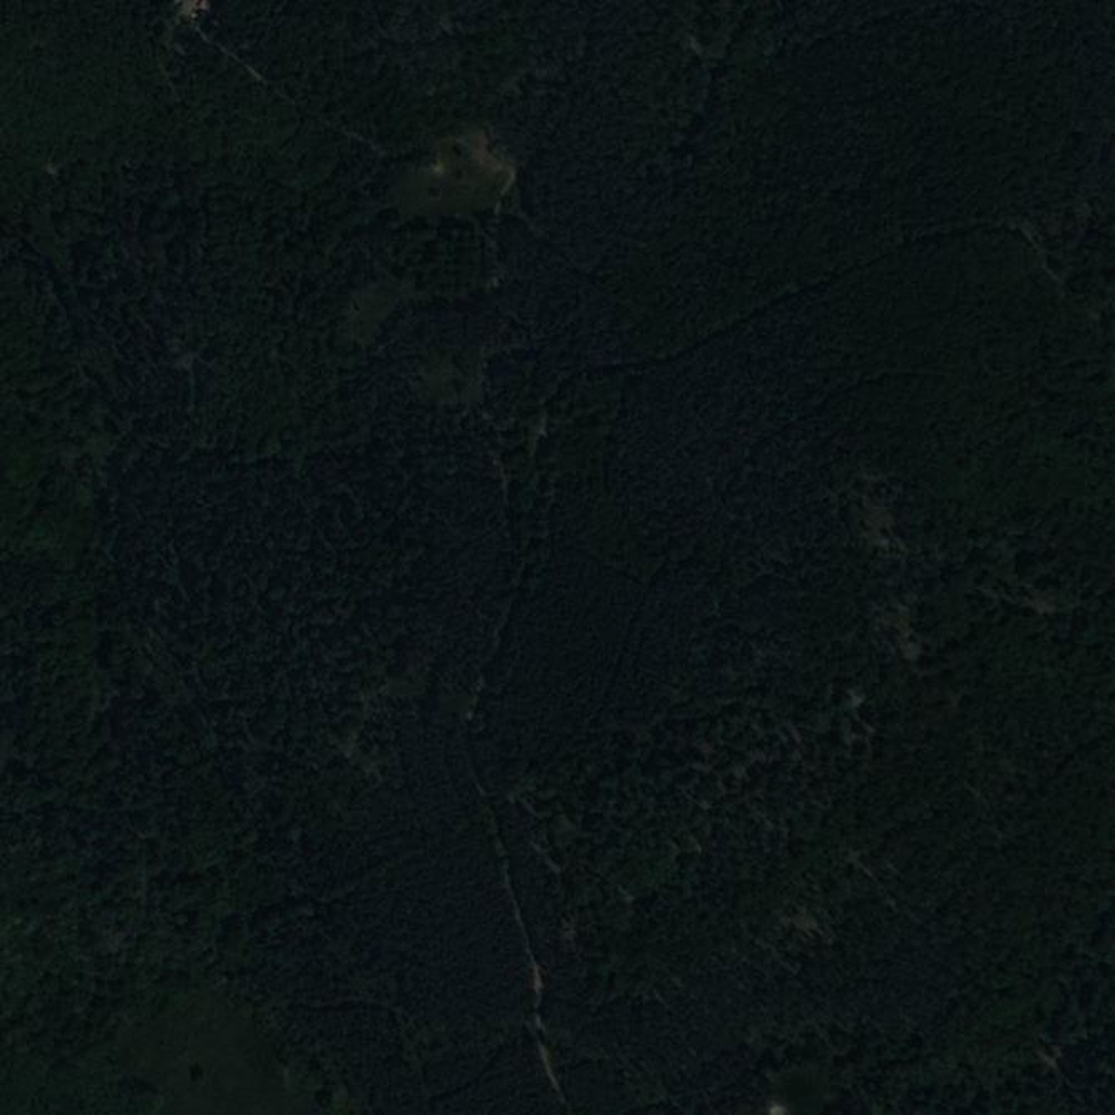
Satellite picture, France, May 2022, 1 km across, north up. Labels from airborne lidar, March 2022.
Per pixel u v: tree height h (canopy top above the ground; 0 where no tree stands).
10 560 21
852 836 21
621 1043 23
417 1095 12
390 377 26
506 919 24
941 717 14
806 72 19
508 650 15
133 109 13
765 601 24
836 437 15
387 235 27
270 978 14
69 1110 18
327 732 16
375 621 28
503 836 23
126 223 33
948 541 21
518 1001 21
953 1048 24
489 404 16
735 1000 25
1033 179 23
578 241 28
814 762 15
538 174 30
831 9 23
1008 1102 17
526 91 18
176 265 21
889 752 15
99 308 29
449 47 19
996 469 20
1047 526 16
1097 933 42
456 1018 26
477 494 24
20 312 14
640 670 22
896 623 0
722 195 22
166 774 18
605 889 25
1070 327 18
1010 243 16
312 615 26
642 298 22
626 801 24
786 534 19
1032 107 22
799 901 20
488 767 22
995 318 20
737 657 28
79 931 15
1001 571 32
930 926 25
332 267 16
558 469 12
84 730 18
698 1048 26
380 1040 13
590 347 25
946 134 22
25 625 30
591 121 31
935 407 18
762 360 22
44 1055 14
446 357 19
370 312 0
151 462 8
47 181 24
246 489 32
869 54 21
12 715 25
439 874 22
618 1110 12
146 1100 21
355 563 7
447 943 24
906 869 22
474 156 0
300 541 25
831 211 21
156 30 19
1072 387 23
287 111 21
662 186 34
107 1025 12
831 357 20
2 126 11
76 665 22
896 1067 26
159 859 15
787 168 18
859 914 23
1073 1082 31
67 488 28
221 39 19
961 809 20
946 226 21
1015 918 22
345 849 20
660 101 29
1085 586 15
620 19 26
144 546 34
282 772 22
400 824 18
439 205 0
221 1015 0
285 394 16
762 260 19
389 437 16
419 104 9
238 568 29
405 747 18
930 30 18
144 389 33
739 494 21
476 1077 9
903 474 21
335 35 15
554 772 14
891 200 22
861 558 18
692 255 18
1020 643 18
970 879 24
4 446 21
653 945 18
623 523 9
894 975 25
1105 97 22
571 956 22
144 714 30
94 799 19
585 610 21
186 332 23
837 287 18
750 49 22
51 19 21
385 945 19
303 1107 0
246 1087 0
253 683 16
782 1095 0
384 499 31
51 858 20
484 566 24
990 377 22
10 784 7
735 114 23
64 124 12
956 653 18
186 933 13
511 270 23
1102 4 25
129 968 11
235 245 21
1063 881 27
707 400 25
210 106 12
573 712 19
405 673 21
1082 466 26
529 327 14
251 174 20
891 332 22
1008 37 20
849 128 18
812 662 19
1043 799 21
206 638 25
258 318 19
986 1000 27
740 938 22
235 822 26
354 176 17
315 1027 10
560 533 19
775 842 26
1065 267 21
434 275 23
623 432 18
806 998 26
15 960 10
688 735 20
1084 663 21
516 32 16
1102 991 21
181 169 21
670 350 18
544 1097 11
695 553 17
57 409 19
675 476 22
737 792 17
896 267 21
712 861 18
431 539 21
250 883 6
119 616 30
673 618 23
